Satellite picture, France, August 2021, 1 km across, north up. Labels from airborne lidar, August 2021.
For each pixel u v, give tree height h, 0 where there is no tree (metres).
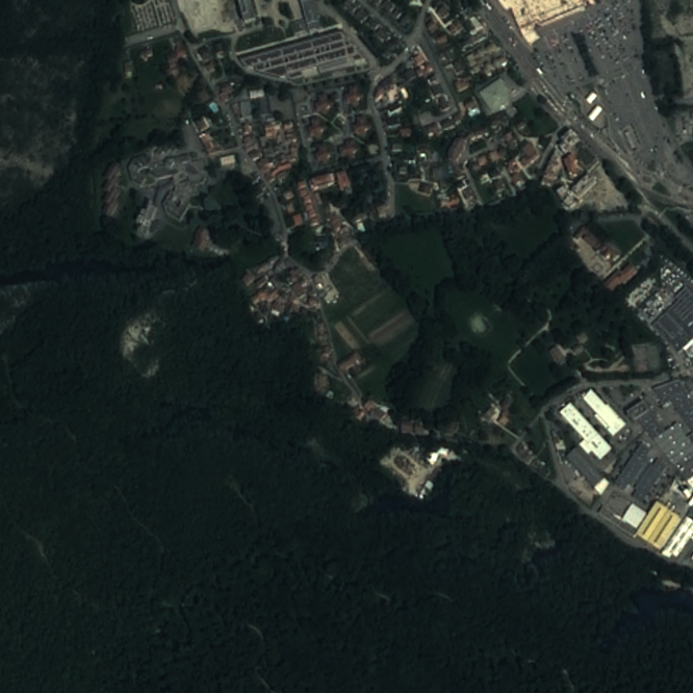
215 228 26
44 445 14
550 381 0
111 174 0
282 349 19
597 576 25
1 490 7
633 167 0
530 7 0
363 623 20
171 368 15
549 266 25
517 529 28
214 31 0
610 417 0
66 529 13
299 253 11
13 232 20
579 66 0
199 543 9
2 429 14
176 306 9
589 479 0
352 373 6
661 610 22
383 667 17
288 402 24
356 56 0
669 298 0
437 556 15
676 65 8
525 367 0
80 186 20
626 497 0
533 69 0
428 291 8
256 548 21
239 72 12
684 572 18
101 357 15
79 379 8
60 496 17
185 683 15
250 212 24
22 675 11
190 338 12
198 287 16
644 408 0
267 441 19
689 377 6
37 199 14
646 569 21
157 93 0
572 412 0
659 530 0
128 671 18
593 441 0
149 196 0
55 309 19
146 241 0
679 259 18
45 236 21
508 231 0
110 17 17
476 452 10
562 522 8
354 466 19
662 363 0
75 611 10
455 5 12
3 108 5
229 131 7
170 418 15
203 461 11
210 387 19
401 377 12
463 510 16
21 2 8
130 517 8
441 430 23
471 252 25
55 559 14
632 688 19
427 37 0
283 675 19
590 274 8
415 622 17
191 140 0
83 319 19
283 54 0
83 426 12
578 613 10
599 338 7
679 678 18
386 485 13
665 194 0
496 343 0
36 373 19
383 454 13
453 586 14
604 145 0
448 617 17
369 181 13
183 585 17
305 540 22
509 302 21
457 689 20
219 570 19
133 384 12
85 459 11
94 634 11
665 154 0
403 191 0
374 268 0
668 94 8
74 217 20
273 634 18
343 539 20
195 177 0
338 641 17
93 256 30
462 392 9
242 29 0
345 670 14
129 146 18
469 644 19
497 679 23
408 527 20
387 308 0
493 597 19
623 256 6
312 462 9
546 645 21
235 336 21
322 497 15
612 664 13
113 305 19
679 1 0
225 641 12
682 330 0
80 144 11
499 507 16
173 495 7
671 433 0
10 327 6
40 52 11
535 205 23
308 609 16
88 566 16
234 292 14
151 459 17
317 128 0
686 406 0
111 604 19
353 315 0
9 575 7
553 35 0
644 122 0
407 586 18
